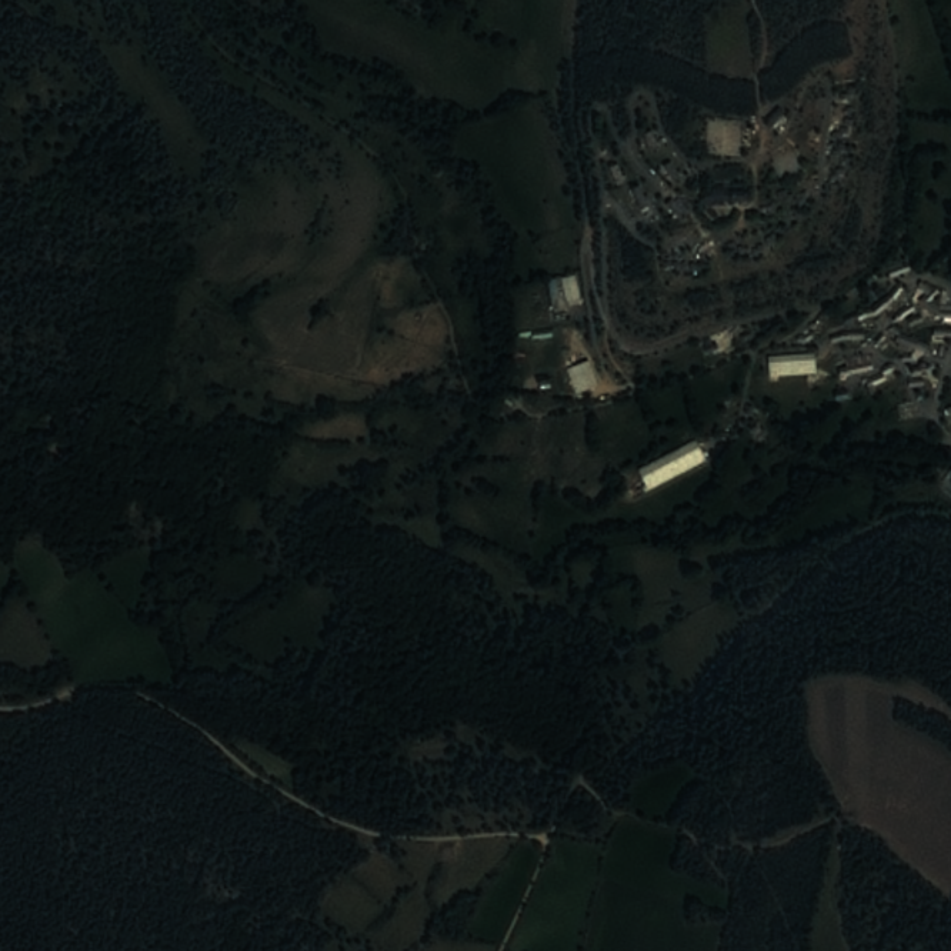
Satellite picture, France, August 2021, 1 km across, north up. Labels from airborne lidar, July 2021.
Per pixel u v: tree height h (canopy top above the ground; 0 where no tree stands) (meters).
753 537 15
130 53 0
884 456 15
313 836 11
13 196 7
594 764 13
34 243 13
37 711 11
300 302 0
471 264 12
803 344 7
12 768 11
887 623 15
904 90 7
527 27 0
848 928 10
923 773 0
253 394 8
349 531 15
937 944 7
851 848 9
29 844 16
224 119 15
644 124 9
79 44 15
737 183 8
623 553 0
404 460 0
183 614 14
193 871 8
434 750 0
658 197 9
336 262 0
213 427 10
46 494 22
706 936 0
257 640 0
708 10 6
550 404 0
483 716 14
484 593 22
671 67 8
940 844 0
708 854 10
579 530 14
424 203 0
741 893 8
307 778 12
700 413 12
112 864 11
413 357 0
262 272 0
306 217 0
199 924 8
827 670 16
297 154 9
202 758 12
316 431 0
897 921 10
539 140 0
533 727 17
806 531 0
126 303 13
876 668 18
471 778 14
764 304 11
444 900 0
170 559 14
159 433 14
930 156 16
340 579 12
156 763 14
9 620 0
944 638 13
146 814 13
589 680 20
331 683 15
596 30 9
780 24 6
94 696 11
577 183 14
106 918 10
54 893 11
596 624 12
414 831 11
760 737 23
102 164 13
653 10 9
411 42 0
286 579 9
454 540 20
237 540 14
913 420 0
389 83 14
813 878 7
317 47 21
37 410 18
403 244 9
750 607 14
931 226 0
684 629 0
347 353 0
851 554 15
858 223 6
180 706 14
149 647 0
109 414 22
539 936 0
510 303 13
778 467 7
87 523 14
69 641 0
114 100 16
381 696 16
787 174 9
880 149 6
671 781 0
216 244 0
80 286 17
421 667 17
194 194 9
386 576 15
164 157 19
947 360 0
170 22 14
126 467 17
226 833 14
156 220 7
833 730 0
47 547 7
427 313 0
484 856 0
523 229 0
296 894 7
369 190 0
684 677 0
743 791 7
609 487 9
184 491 14
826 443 0
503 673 18
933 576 12
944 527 21
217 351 0
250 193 0
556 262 0
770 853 7
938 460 14
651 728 8
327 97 0
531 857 0
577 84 11
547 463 0
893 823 0
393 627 15
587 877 0
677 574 0
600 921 0
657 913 0
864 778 0
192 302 0
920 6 0
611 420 0
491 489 15
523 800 14
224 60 6
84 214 10
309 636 0
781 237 9
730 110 10
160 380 20
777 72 7
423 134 9
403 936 0
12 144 9
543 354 0
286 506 10
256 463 7
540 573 11
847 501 0
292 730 10
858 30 0
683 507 9
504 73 0
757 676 18
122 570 0
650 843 0
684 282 0
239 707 15
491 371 8
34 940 14
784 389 0
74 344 10
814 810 6
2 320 15
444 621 22
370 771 9
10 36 12
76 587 0
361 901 0
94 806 10
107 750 16
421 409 15
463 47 0
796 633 18
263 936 11
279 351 0
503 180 0
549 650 18
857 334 0
